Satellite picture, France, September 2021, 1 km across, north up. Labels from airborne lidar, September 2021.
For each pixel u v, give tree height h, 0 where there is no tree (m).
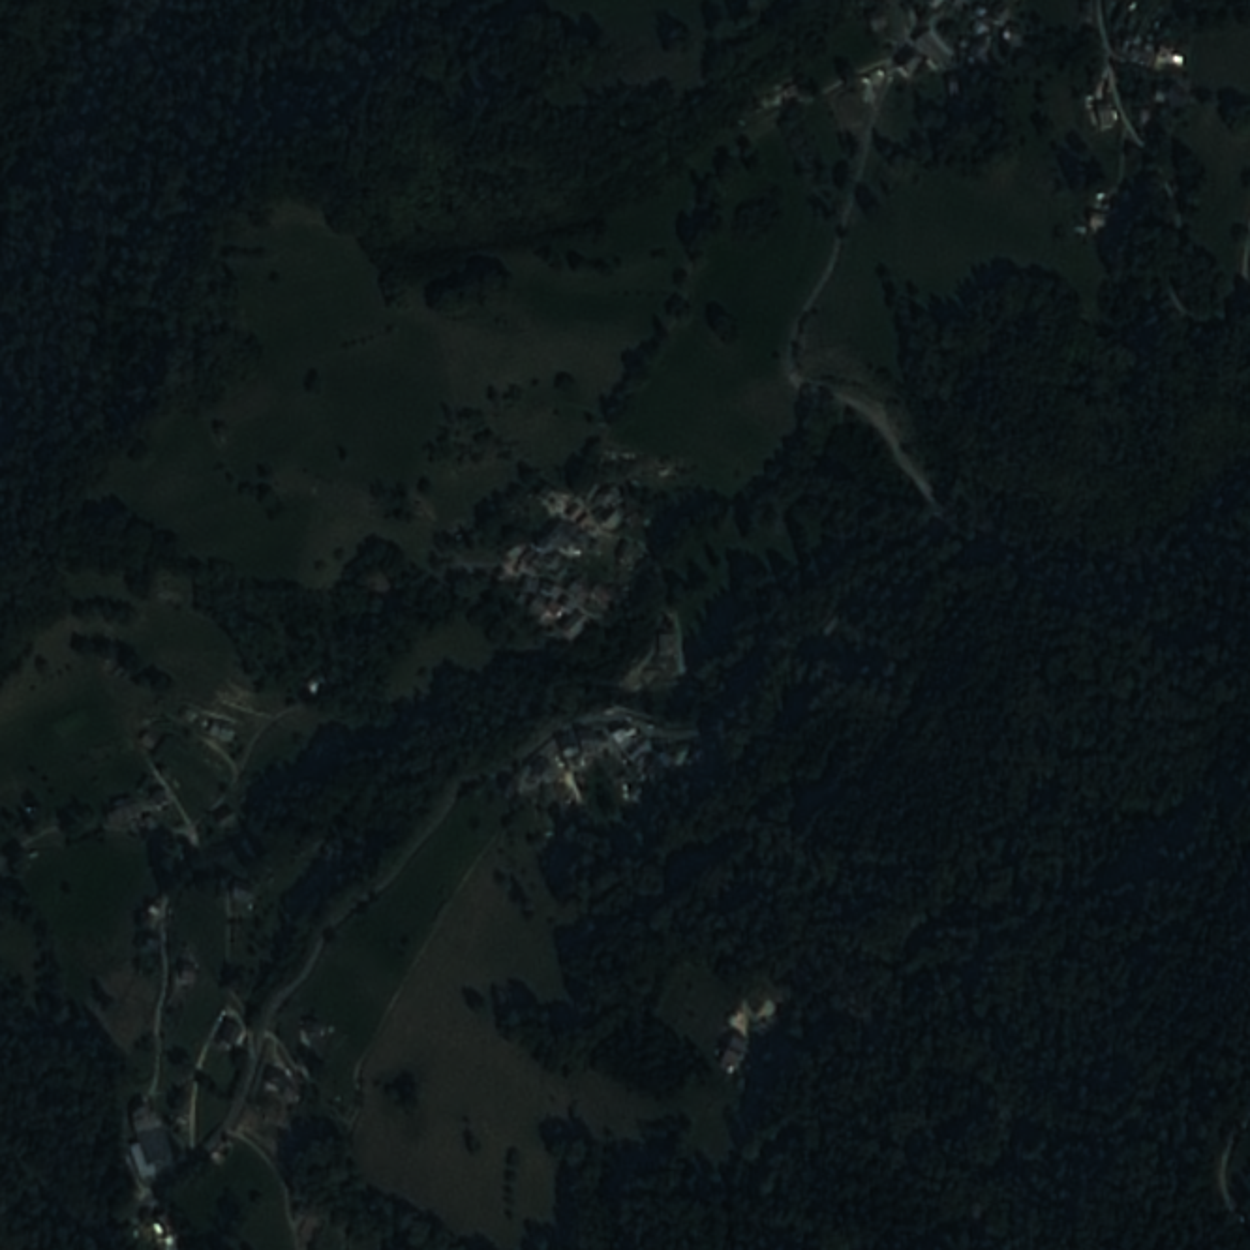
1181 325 14
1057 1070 26
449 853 0
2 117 18
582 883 27
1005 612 23
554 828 0
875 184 0
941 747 29
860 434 7
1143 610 38
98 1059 11
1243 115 20
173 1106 12
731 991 20
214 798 0
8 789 0
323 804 24
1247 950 26
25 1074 28
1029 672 28
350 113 33
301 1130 0
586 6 0
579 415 0
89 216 15
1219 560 24
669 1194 19
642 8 0
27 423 33
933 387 19
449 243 17
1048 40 10
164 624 0
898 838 30
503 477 0
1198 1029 32
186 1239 12
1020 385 26
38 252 35
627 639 10
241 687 0
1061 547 20
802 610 25
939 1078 18
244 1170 0
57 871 0
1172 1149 24
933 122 15
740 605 16
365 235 22
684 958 23
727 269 0
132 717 0
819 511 15
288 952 12
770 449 0
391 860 23
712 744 20
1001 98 18
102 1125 20
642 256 0
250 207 21
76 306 33
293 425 0
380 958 0
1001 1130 26
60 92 21
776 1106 27
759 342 0
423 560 0
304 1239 0
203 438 0
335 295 0
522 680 29
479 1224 0
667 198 0
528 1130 0
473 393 0
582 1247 24
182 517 0
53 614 25
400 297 17
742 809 18
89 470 21
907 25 0
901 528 26
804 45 19
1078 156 17
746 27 20
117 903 0
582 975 22
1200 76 0
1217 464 24
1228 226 0
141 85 28
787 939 29
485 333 0
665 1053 10
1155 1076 28
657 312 0
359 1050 0
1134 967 26
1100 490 18
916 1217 24
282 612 10
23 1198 23
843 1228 30
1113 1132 26
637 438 0
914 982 9
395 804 33
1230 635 25
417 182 24
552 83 11
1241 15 21
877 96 0
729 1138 0
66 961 0
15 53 31
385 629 23
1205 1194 24
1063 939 31
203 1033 0
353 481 0
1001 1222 26
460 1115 0
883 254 0
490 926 0
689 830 18
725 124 11
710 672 20
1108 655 31
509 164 21
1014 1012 25
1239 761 21
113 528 22
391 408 0
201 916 0
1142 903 27
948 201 0
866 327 0
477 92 0
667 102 21
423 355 0
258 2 33
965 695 26
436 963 0
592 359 0
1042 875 26
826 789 10
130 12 27
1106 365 24
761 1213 17
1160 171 8
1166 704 26
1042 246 0
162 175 29
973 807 28
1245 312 17
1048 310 22
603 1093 0
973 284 0
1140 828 10
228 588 10
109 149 31
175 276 33
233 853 0
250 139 41
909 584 19
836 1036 28
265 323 0
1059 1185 20
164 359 19
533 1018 23
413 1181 0
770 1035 0
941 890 27
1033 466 20
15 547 29
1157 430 28
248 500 10
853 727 19
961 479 22
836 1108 19
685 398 0
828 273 0
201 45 24
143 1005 0
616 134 19
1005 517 32
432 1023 0
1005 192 0
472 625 10
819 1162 22
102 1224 22
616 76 0
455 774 24
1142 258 24
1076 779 23
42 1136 23
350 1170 14
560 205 23
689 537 17
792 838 19
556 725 16
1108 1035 29
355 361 0
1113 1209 24
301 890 0
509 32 28
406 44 26
